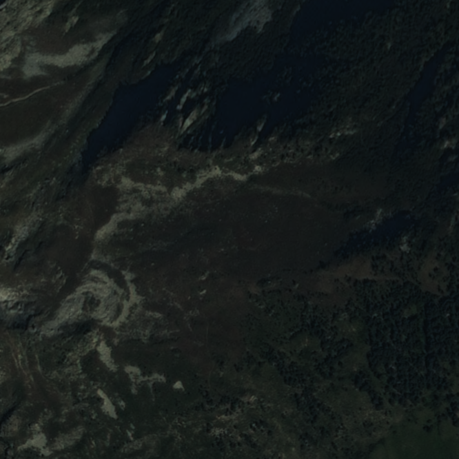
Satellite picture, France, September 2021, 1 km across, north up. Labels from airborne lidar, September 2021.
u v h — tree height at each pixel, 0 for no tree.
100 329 0
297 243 0
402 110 7
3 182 0
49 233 0
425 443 0
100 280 0
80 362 0
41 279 0
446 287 0
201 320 0
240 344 0
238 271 0
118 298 0
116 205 0
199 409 8
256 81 6
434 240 0
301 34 6
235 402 11
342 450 6
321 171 0
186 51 5
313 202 0
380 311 15
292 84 6
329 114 6
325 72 7
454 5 11
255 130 7
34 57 0
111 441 0
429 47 6
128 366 0
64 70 0
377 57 6
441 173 6
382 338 21
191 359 0
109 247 0
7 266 0
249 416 0
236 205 0
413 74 7
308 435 12
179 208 0
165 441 0
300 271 0
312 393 19
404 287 8
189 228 0
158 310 0
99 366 0
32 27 0
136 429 0
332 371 25
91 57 0
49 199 0
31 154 0
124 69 0
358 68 8
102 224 0
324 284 0
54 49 0
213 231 0
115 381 0
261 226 0
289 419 0
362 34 5
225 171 0
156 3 6
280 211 0
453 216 11
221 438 9
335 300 0
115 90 0
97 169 0
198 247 0
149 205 0
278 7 0
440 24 12
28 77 0
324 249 0
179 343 0
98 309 0
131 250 0
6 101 0
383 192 0
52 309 0
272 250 0
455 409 19
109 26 0
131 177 0
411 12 6
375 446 6
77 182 0
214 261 0
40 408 0
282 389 0
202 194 0
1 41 0
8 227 0
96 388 0
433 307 17
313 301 0
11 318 0
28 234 0
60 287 0
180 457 0
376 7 6
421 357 11
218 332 0
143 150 0
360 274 0
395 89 6
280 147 0
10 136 0
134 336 0
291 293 6
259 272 0
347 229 0
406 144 6
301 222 0
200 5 7
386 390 8
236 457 0
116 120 0
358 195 0
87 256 0
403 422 0
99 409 0
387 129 6
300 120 7
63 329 0
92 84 0
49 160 0
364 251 7
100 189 0
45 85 0
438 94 6
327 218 0
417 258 7
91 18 0
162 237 0
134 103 0
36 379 0
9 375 0
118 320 0
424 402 11
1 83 0
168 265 0
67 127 0
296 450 0
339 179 0
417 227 8
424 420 0
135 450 0
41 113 0
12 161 0
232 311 0
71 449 0
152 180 0
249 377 0
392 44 6
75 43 0
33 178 0
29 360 0
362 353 0
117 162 0
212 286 0
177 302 0
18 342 0
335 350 11
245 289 0
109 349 0
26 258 0
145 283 0
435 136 11
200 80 5
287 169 0
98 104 0
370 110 6
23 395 0
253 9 0
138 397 0
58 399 0
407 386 21
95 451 0
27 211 0
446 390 29
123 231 0
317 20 6
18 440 0
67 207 0
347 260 7
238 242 0
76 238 0
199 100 7
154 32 7
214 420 0
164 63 0
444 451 0
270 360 10
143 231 0
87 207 0
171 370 0
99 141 0
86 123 0
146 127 0
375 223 0
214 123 9
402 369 22
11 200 0
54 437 0
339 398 0
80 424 0
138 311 0
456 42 11
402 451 0
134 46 0
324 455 0
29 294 0
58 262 0
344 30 9
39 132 0
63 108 0
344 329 0
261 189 0
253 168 0
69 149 0
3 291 0
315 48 7
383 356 24
